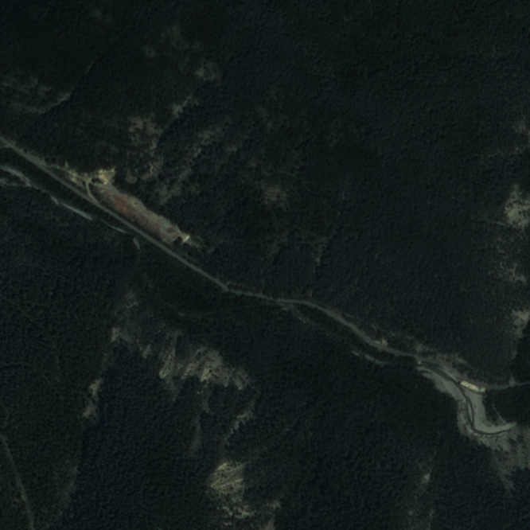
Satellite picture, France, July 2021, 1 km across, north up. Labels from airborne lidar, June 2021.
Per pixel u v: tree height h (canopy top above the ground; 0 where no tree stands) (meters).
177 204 11
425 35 21
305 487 6
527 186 8
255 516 8
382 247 12
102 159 17
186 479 18
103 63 14
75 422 6
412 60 21
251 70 12
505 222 8
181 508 13
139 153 8
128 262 13
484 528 12
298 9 13
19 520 10
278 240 6
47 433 11
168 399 10
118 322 9
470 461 10
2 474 8
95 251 16
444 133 12
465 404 0
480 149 11
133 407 14
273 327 15
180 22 6
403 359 11
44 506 15
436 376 0
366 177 11
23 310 11
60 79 14
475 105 13
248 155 9
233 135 12
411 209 10
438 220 15
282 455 16
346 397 18
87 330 17
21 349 16
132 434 13
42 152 9
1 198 11
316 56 10
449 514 8
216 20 12
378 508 18
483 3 13
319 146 9
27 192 15
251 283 14
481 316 12
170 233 0
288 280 12
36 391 15
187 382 7
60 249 7
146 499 12
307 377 10
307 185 9
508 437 0
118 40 12
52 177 10
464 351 10
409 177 8
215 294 13
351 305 13
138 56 13
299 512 11
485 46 15
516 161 14
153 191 10
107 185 0
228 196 7
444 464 9
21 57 13
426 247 14
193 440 9
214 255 13
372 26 19
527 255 9
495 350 13
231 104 13
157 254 8
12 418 9
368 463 14
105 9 10
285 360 13
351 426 17
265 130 10
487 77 16
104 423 14
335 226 8
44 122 10
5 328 12
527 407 13
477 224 13
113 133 10
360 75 15
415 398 6
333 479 19
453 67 14
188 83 11
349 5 18
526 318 0
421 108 16
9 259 16
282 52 12
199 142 8
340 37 10
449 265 10
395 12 7
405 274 14
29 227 9
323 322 11
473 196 10
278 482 14
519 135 13
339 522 15
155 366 13
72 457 11
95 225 6
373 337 8
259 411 9
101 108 9
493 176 16
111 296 14
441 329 12
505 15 15
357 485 13
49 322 18
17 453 13
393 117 14
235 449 11
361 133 10
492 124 12
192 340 9
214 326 14
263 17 14
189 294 11
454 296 14
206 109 10
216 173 8
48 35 12
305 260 13
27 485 14
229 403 15
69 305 16
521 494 14
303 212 6
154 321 11
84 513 21
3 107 7
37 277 16
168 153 6
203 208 14
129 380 11
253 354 19
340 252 13
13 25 18
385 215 14
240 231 14
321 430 19
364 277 14
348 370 13
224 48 8
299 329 11
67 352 15
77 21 12
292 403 23
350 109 12
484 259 17
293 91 9
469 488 9
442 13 12
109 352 6
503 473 0
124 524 17
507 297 12
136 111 12
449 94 17
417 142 12
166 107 7
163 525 18
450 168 14
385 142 15
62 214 13
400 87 17
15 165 13
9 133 7
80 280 13
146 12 16
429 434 13
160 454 15
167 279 11
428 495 8
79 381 6
